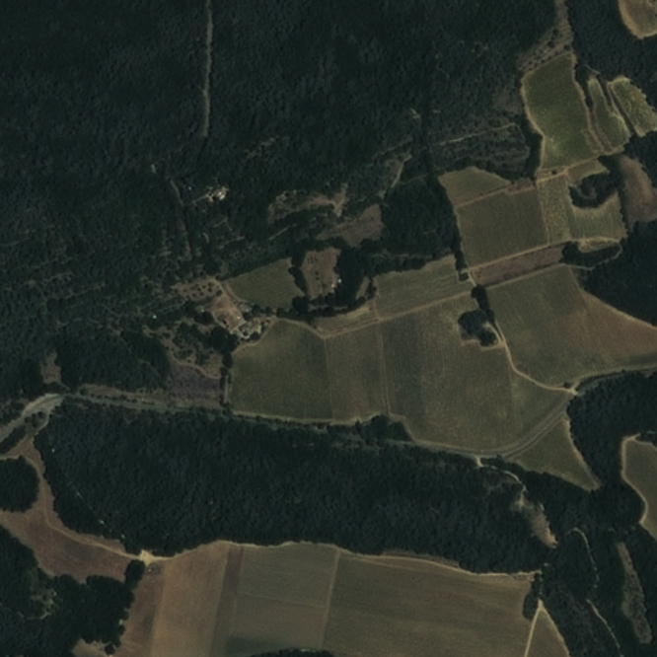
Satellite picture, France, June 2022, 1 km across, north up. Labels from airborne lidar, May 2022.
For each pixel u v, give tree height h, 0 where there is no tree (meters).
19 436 10
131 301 7
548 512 13
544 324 0
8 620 18
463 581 0
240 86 19
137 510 14
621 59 13
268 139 15
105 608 9
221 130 21
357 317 0
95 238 7
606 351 0
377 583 0
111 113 12
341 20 7
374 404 0
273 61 12
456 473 6
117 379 18
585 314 0
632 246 14
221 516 10
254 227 12
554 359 0
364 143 8
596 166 0
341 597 0
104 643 7
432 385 0
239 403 0
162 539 15
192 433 17
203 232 14
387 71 9
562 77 0
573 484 10
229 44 13
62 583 12
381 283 0
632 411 8
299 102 12
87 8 6
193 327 9
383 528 11
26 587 9
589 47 16
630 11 0
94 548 0
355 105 15
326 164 8
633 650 12
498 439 0
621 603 12
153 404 8
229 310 0
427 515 20
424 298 0
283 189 14
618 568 16
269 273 0
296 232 6
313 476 18
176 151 22
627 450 0
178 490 12
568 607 12
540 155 13
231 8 17
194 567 0
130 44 15
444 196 13
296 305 16
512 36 16
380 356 0
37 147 10
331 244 9
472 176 0
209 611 0
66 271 9
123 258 12
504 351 0
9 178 16
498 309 0
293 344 0
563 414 0
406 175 11
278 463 11
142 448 13
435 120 11
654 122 0
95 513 16
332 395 0
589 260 6
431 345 0
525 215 0
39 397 11
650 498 0
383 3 12
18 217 15
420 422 0
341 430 11
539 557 10
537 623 0
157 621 0
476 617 0
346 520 10
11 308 19
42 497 0
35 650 18
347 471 11
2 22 7
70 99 11
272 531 11
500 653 0
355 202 8
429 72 10
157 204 9
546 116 0
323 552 0
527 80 0
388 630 0
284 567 0
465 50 14
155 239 13
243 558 0
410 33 13
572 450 0
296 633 0
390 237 8
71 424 19
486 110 7
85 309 11
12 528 0
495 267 0
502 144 8
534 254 0
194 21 15
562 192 0
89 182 10
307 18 9
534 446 0
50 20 7
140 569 14
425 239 9
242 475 14
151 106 10
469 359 0
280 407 0
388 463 13
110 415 8
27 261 9
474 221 0
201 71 13
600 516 17
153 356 12
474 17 8
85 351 15
